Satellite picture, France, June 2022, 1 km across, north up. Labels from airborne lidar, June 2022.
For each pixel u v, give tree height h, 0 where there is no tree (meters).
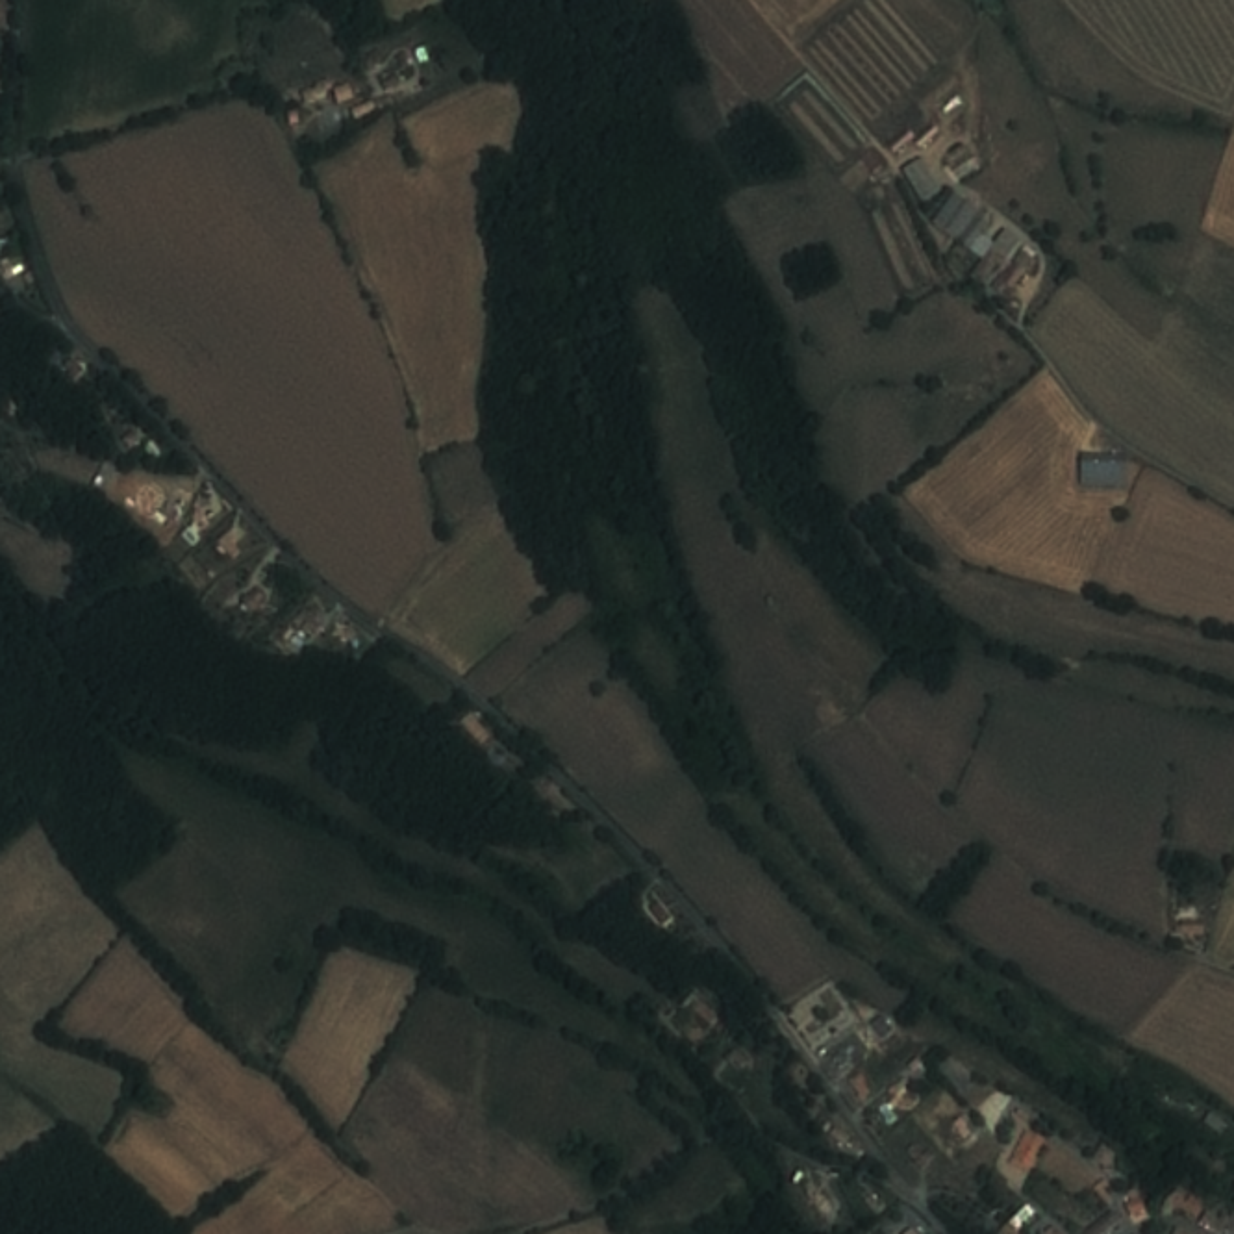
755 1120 0
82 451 11
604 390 14
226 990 0
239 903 0
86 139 15
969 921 0
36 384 20
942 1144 0
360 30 9
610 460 13
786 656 0
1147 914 0
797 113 0
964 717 0
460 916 0
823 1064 0
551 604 12
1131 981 0
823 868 11
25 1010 0
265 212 0
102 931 0
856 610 13
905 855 0
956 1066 0
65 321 0
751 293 10
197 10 0
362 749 19
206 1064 0
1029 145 0
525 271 22
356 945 6
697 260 10
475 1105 0
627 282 17
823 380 0
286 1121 0
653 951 23
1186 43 0
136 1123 0
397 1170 0
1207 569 0
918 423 0
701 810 0
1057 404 0
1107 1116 14
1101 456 0
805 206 0
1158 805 0
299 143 7
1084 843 0
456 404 0
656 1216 0
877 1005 0
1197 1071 0
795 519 14
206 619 13
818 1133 16
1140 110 0
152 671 14
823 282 18
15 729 14
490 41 11
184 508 0
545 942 8
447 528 9
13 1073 0
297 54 0
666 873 10
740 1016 17
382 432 0
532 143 18
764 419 7
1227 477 0
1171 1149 6
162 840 15
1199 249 0
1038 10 0
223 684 13
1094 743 0
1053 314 0
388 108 7
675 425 0
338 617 0
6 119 12
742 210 0
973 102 0
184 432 13
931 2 0
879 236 0
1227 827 0
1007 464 0
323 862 0
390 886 0
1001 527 0
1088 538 0
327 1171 0
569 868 0
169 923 0
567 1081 0
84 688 9
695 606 11
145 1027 0
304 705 15
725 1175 0
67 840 13
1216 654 0
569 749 0
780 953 0
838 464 0
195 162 0
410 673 0
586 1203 0
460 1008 0
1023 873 0
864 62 0
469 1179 0
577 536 15
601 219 12
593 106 17
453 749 19
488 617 0
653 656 0
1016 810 0
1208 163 0
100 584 20
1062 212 0
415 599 0
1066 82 0
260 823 0
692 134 0
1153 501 0
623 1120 0
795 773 0
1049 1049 0
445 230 0
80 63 0
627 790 0
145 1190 10
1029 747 0
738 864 0
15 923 0
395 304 0
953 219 0
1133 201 0
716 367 10
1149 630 0
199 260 0
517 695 0
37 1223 11
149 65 0
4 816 11
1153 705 0
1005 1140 10
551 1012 0
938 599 7
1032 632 0
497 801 7
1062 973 0
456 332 0
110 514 16
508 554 0
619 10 22
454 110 0
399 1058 0
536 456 18
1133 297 0
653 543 0
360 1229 0
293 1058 0
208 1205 13
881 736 0
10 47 13
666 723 14
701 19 0
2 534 0
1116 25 0
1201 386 0
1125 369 0
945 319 0
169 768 0
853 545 22
